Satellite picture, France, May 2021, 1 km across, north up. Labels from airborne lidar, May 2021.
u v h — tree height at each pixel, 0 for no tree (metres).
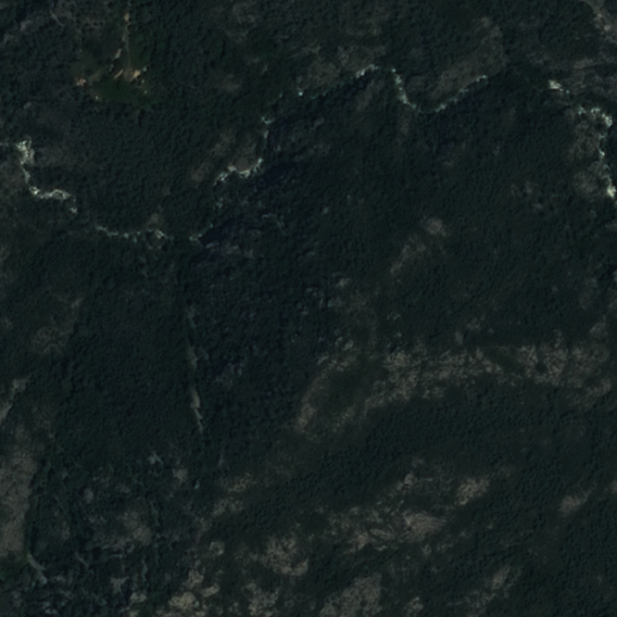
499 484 11
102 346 8
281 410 20
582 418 21
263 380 10
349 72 14
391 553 14
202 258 5
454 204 17
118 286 14
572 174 7
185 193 22
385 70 16
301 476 6
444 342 5
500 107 7
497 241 7
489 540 17
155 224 9
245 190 6
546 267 13
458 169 6
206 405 12
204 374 7
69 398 16
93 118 21
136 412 17
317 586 8
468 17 7
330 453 13
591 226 18
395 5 7
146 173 22
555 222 8
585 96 10
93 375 12
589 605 15
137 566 10
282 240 13
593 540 14
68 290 11
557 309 18
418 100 13
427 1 16
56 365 21
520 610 6
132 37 8
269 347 9
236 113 30
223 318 14
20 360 9
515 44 21
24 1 13
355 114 8
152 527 7
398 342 7
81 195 26
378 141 12
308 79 7
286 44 26
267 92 35
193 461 7
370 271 6
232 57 10
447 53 18
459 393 6
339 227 6
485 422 16
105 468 7
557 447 6
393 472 6
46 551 9
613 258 10
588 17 10
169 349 14
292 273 13
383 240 7
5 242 6
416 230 6
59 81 7
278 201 11
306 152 11
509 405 12
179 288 21
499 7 19
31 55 22
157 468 7
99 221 12
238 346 11
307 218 9
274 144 5
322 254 9
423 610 6
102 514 7
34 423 7
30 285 14
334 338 5
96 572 18
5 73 24
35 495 7
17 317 9
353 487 5
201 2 28
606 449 6
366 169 10
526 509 6
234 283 6
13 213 14
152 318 6
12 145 9
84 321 7
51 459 11
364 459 21
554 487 14
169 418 16
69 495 9
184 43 28
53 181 18
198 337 9
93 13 20
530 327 6
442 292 12
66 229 7
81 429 6
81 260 22
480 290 12
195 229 26
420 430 21
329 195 10
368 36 9
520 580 8
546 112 8
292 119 18
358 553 6
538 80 18
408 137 10
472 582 16
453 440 11
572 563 17
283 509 14
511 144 18
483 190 19
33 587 7
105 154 22
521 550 17
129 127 23
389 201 10
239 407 12
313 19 20
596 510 6
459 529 6
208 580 7
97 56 7
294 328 9
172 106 25
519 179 8
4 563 14
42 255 14
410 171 6
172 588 7
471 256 20
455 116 7
